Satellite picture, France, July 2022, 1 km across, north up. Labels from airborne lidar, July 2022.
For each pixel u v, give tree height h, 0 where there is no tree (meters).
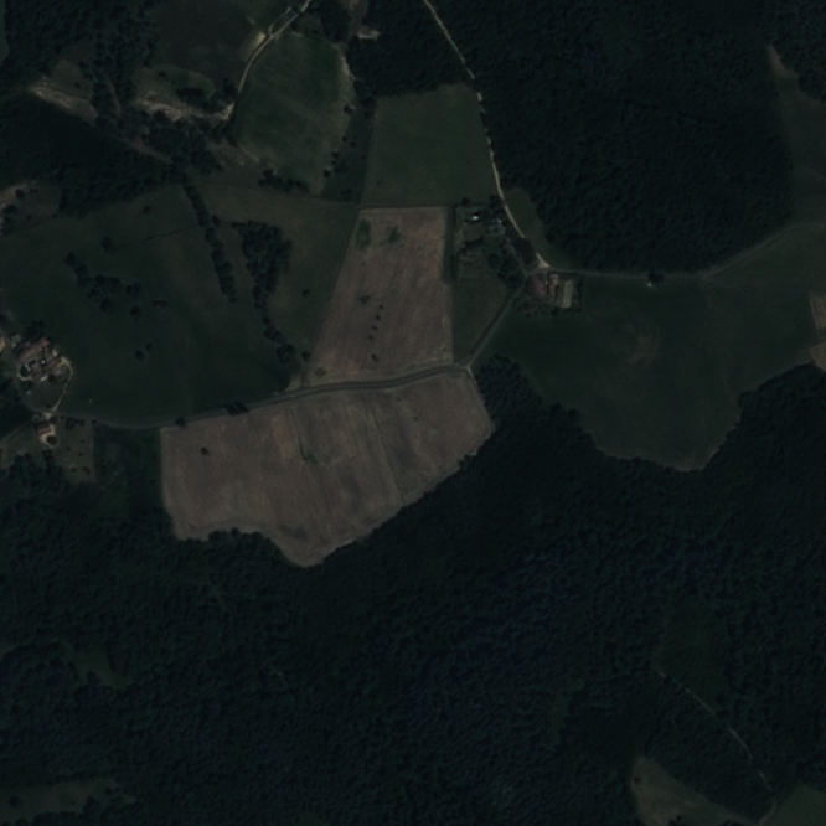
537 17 21
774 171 10
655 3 12
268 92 0
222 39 0
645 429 0
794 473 11
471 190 0
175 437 0
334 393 0
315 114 0
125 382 0
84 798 0
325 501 0
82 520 17
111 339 0
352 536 0
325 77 0
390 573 16
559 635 26
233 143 10
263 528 0
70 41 20
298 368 0
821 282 0
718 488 12
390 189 0
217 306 0
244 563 19
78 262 16
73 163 6
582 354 0
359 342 0
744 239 6
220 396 0
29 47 7
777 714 9
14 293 0
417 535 19
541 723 19
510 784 17
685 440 0
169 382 0
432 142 0
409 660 19
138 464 0
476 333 0
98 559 16
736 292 0
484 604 9
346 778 22
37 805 0
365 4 0
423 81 16
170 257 0
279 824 24
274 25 0
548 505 18
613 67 26
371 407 0
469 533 15
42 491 15
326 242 0
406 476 0
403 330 0
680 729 7
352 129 0
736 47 11
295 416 0
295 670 17
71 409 0
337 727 23
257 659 30
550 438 22
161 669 23
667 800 0
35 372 0
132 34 21
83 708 20
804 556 15
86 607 22
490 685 30
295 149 0
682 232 18
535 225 0
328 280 0
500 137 16
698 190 12
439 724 27
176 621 18
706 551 29
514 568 31
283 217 0
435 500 15
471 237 0
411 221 0
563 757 21
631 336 0
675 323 0
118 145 8
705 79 8
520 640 33
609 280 0
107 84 15
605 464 12
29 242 0
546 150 22
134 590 16
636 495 18
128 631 27
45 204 0
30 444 0
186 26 0
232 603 15
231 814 16
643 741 16
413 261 0
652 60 8
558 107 16
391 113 0
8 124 6
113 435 0
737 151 12
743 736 14
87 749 28
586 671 19
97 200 17
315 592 12
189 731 27
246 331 0
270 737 19
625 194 8
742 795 9
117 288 20
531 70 20
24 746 33
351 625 18
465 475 14
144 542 22
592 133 8
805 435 13
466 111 0
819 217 0
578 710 20
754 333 0
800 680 23
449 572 20
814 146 0
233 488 0
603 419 0
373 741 20
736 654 26
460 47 17
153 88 0
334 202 0
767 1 14
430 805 25
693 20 6
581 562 24
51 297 0
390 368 0
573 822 16
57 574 22
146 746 26
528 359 0
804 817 0
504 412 16
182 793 31
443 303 0
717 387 0
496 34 19
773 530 15
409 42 21
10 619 29
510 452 17
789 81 0
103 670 0
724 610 19
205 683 33
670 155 10
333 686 21
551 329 0
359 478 0
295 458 0
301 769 17
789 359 0
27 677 20
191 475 0
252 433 0
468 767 21
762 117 6
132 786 19
